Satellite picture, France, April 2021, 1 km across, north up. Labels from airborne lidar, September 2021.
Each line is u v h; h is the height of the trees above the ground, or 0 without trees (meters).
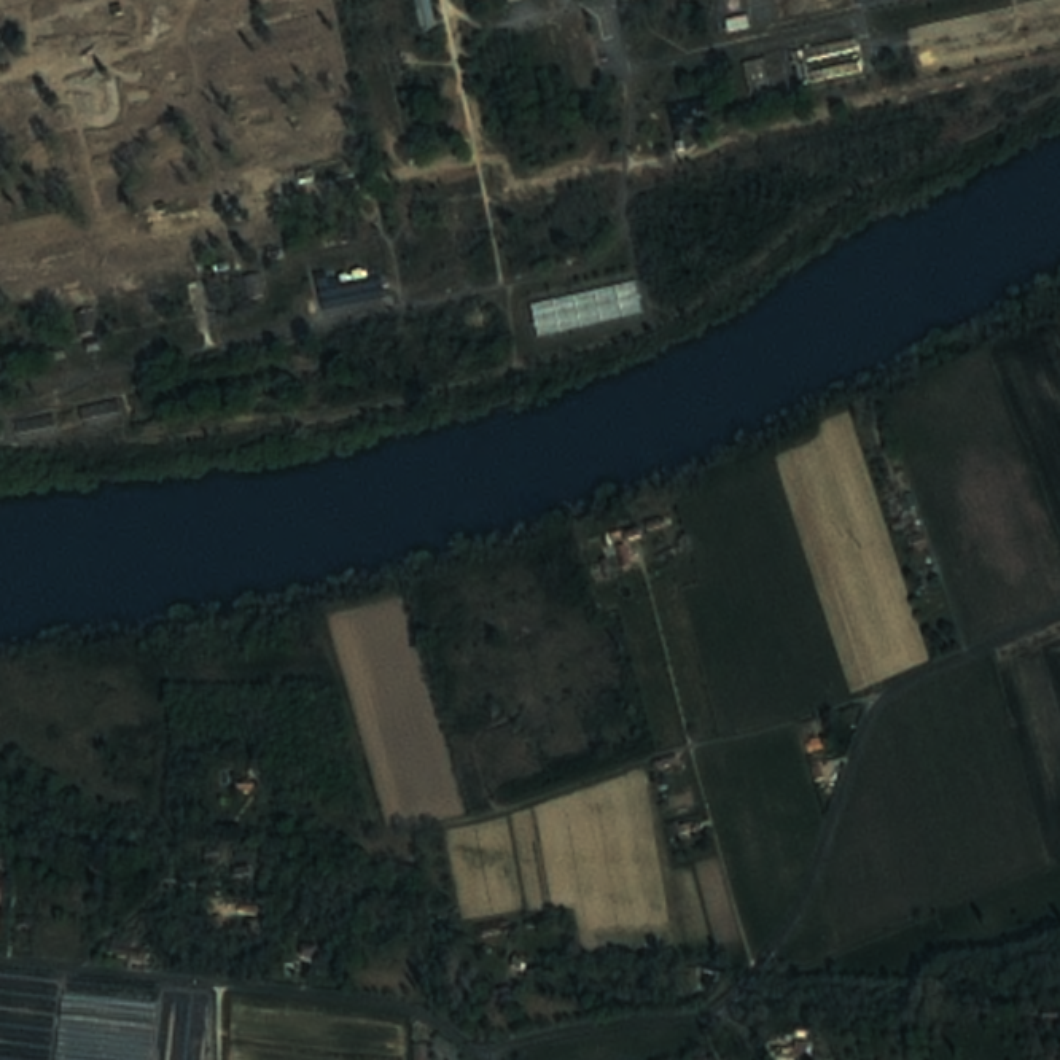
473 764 10
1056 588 0
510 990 7
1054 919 0
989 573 0
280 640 15
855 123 12
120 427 0
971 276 0
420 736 0
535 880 0
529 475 0
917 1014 12
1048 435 0
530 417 0
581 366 15
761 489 0
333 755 17
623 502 18
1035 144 9
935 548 0
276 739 18
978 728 0
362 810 15
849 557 0
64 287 0
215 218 0
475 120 0
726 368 0
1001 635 0
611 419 0
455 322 12
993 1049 0
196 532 0
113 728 0
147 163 27
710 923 0
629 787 0
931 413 0
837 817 0
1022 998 21
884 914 0
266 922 17
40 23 0
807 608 0
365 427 22
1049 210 0
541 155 8
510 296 0
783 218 6
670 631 0
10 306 21
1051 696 0
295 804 12
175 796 15
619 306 0
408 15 9
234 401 21
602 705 9
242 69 0
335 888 21
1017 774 0
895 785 0
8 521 0
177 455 8
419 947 18
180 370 23
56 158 34
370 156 22
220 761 12
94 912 11
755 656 0
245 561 0
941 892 0
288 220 24
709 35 12
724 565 0
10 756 16
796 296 0
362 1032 0
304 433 20
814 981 11
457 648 9
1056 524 0
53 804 21
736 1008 13
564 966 18
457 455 0
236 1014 0
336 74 0
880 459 13
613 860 0
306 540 0
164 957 19
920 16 0
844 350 0
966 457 0
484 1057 0
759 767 0
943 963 27
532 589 0
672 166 9
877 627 0
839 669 0
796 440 8
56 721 0
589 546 0
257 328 0
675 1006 19
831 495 0
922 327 0
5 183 31
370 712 0
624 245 0
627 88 0
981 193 0
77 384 0
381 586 12
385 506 0
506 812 0
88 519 0
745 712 0
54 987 0
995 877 0
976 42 0
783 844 0
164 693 13
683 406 0
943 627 11
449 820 0
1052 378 0
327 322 0
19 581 0
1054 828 0
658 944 0
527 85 17
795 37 0
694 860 0
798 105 21
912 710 0
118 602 0
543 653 0
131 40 0
